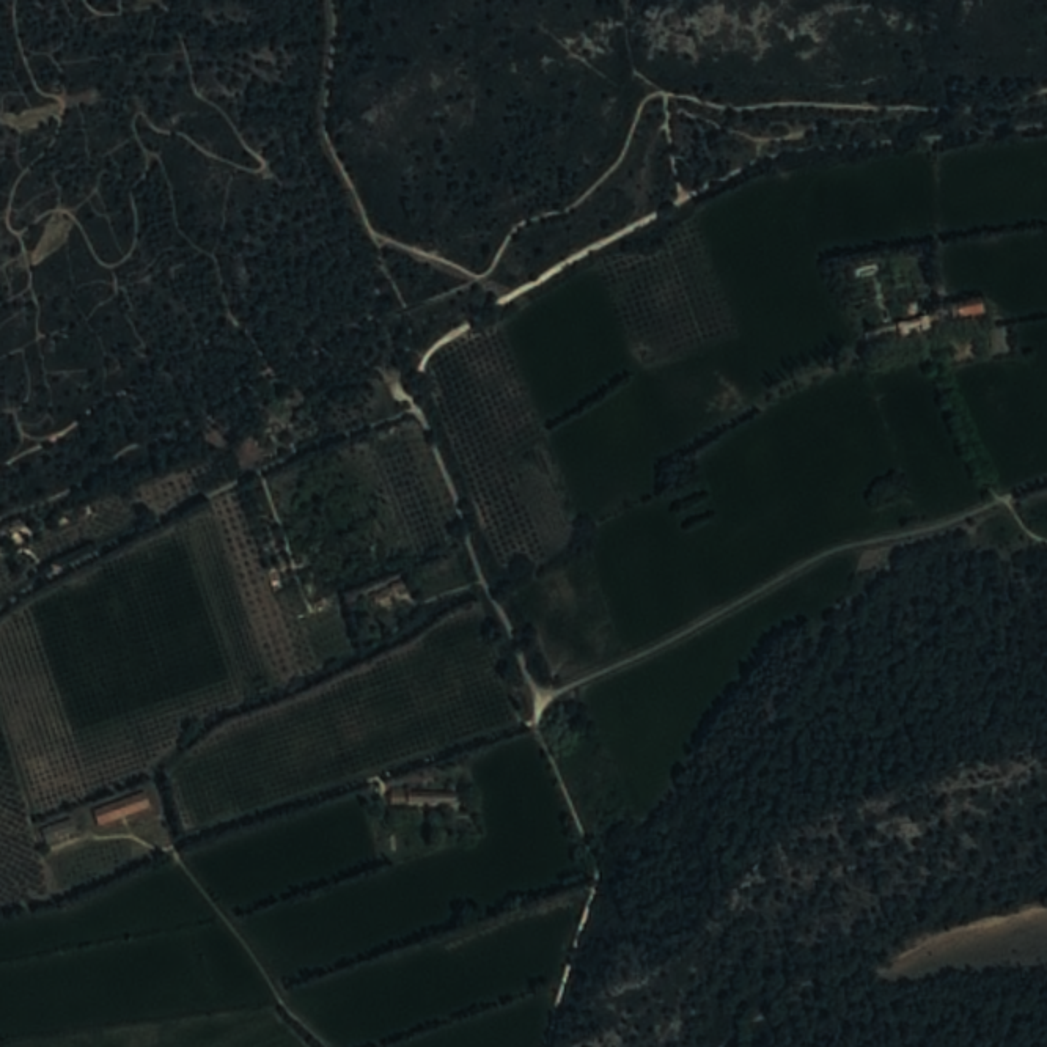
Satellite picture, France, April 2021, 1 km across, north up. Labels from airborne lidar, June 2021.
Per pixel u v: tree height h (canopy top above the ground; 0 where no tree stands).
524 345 0
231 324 16
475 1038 0
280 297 13
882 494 9
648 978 0
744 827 17
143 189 12
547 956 0
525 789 0
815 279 0
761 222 0
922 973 0
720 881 13
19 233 0
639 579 0
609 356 0
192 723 12
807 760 15
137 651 0
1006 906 6
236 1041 0
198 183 0
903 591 12
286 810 10
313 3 12
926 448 0
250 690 0
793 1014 17
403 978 0
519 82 0
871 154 10
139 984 0
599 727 9
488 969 0
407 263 11
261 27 9
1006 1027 19
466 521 12
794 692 16
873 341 10
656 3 0
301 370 18
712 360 0
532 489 0
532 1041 0
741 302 0
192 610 0
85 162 6
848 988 16
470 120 0
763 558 0
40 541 10
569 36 0
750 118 16
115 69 10
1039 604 7
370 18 17
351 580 6
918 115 7
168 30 12
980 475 15
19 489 14
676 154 13
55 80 8
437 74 0
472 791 17
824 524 0
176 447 15
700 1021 10
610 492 0
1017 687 13
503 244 0
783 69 0
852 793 11
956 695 14
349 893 0
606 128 0
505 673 17
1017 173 0
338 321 12
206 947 0
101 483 18
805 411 0
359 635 16
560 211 14
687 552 0
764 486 0
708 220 0
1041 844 14
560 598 0
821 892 11
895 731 9
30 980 0
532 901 15
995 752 11
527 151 10
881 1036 16
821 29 0
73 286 6
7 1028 0
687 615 0
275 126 11
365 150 0
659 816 8
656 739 0
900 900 11
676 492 14
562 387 0
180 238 6
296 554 6
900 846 13
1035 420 0
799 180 0
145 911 0
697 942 8
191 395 15
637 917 15
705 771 13
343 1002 0
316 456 11
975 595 15
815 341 0
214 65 8
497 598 16
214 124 0
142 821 0
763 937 14
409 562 15
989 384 0
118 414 16
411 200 9
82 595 0
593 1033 10
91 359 0
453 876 0
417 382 12
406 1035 6
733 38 0
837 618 11
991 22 0
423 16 0
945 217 0
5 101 0
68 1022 0
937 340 20
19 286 0
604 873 9
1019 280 0
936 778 11
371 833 0
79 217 0
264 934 0
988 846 0
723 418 0
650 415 0
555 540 0
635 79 0
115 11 11
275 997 0
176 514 10
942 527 0
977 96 17
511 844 0
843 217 0
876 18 0
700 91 11
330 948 0
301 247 15
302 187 7
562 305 0
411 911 0
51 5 10
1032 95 18
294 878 0
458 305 10
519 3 9
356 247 16
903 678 14
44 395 11
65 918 0
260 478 14
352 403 22
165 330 7
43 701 0
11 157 11
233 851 0
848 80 9
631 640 0
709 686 0
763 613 0
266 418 19
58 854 0
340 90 11
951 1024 18
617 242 0
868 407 0
